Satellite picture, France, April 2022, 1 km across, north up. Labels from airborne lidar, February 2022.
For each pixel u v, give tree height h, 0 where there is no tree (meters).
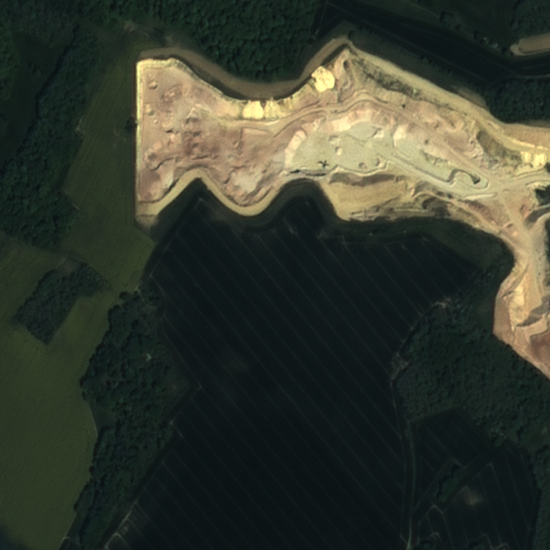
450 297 0
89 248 0
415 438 0
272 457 0
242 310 0
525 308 0
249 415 0
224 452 0
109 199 0
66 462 0
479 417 17
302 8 32
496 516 0
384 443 0
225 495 0
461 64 0
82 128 0
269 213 0
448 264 0
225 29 30
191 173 0
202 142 0
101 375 24
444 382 21
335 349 0
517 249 0
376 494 0
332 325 0
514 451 0
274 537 0
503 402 25
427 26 0
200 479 0
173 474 0
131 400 22
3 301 0
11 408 0
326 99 0
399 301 0
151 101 0
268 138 0
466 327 15
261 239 0
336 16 0
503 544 0
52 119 29
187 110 0
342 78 0
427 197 0
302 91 0
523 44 0
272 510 0
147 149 0
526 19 23
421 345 16
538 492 0
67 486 0
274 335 0
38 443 0
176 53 0
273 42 31
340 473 0
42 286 21
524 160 0
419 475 0
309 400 0
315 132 0
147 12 21
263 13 33
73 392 0
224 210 0
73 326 0
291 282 0
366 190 0
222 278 0
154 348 19
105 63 0
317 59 0
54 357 0
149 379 23
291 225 0
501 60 0
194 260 0
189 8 24
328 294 0
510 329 0
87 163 0
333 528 0
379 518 0
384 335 0
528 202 0
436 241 0
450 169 0
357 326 0
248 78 14
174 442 0
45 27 30
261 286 0
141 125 0
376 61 0
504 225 0
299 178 0
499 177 0
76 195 0
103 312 0
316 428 0
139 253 0
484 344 16
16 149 0
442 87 0
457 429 0
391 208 0
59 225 27
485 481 0
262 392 0
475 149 0
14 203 25
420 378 16
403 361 0
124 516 0
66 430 0
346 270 0
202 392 0
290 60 9
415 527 0
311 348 0
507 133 0
